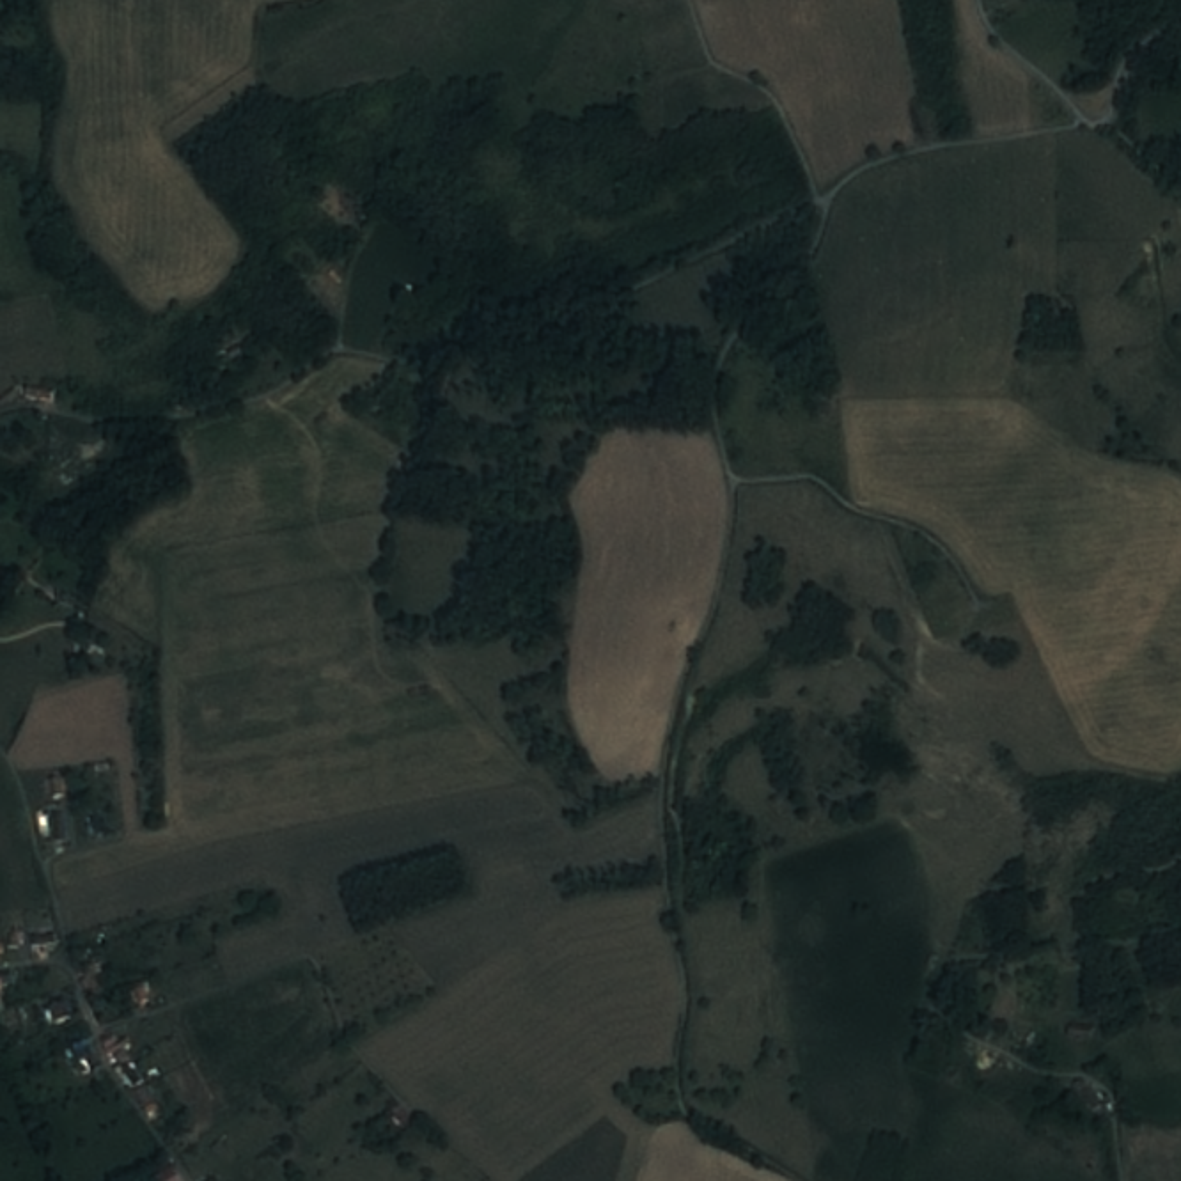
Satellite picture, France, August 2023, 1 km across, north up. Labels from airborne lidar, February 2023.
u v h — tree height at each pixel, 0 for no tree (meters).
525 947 0
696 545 0
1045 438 0
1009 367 0
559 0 0
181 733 0
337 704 0
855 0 0
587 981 0
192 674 0
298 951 0
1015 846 0
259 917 10
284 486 0
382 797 0
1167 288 0
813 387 12
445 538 0
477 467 0
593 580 0
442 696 0
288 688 0
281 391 0
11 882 0
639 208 10
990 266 0
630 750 0
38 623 0
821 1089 0
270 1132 0
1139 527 0
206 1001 0
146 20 0
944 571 0
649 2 0
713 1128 18
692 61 0
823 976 0
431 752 0
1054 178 0
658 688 0
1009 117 0
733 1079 9
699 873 6
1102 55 10
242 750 0
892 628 11
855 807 11
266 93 12
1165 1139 0
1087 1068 8
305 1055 0
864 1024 0
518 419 7
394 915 15
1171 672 0
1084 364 0
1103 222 0
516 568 18
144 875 0
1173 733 0
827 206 0
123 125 0
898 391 0
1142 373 0
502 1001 0
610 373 16
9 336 0
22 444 23
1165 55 20
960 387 0
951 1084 0
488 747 0
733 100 0
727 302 19
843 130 0
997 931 8
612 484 0
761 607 12
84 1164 0
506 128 11
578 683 0
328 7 0
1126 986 7
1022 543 0
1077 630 0
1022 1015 0
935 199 0
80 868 0
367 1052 0
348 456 0
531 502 9
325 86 0
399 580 0
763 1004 0
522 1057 0
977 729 0
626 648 0
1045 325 15
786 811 0
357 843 0
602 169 9
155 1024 0
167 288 0
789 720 8
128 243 0
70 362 0
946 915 0
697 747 0
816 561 0
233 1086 0
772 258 9
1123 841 14
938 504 0
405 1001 7
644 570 0
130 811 0
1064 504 0
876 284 0
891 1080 0
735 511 0
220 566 0
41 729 0
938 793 0
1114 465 0
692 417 17
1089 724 0
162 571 0
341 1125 0
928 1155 0
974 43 0
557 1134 0
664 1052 0
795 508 0
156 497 16
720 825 8
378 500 0
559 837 0
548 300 10
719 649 0
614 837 0
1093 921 6
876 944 0
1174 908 10
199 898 0
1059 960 8
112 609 0
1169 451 0
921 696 0
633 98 9
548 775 0
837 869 0
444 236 21
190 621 0
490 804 0
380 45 0
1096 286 0
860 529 0
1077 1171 0
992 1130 0
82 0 0
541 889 0
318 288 0
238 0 0
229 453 0
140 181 0
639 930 0
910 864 0
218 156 18
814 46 0
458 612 16
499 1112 0
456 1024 0
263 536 0
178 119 0
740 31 0
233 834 0
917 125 0
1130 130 9
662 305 0
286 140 17
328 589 0
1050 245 0
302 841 0
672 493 0
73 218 12
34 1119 11
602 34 0
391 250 0
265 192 19
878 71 0
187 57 0
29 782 0
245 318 18
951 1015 14
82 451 0
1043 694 0
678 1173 0
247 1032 0
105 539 24
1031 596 0
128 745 0
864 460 0
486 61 0
